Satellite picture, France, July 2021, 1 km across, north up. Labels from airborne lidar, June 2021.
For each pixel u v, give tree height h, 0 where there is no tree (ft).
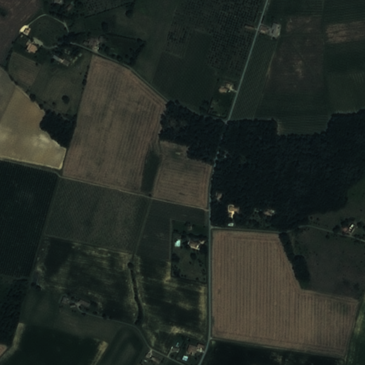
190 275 0
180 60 0
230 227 0
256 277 0
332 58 0
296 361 0
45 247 0
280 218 54
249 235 0
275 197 62
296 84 0
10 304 26
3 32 0
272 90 0
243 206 62
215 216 58
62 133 35
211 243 0
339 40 0
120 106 0
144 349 0
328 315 0
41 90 0
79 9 40
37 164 0
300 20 0
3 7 0
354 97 0
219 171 61
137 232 0
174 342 0
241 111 0
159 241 0
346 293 0
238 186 72
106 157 0
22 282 35
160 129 0
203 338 0
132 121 0
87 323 0
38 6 0
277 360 0
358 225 30
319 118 0
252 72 0
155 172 0
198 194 0
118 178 0
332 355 0
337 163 77
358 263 0
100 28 0
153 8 0
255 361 0
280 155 76
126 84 0
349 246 0
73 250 0
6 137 0
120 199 0
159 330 0
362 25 0
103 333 0
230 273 0
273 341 0
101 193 0
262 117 0
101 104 0
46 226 0
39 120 0
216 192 41
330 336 0
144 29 0
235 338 0
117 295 0
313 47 0
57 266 0
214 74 0
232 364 0
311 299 0
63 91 0
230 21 19
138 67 0
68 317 0
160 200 0
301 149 77
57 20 0
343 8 0
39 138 0
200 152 54
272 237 0
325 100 0
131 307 0
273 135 62
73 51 23
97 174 0
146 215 0
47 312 0
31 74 0
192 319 0
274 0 0
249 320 0
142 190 0
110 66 0
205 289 0
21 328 0
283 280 0
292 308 0
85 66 0
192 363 0
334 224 0
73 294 0
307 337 0
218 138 58
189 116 65
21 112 0
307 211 58
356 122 67
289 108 0
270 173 59
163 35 0
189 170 0
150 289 0
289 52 0
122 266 0
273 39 25
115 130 0
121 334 0
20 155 0
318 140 81
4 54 0
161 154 0
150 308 0
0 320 37
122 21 0
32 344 0
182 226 0
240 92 0
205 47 0
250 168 84
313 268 0
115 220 0
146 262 0
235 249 0
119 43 0
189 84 0
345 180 67
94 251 0
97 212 0
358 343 0
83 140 0
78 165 0
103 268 0
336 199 72
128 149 0
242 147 60
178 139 57
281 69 0
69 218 0
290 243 57
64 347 0
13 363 0
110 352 0
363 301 0
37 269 0
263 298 0
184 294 0
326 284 0
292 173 47
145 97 0
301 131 0
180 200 0
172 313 0
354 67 0
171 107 62
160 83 0
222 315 0
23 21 0
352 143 72
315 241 0
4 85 0
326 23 0
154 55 0
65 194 0
